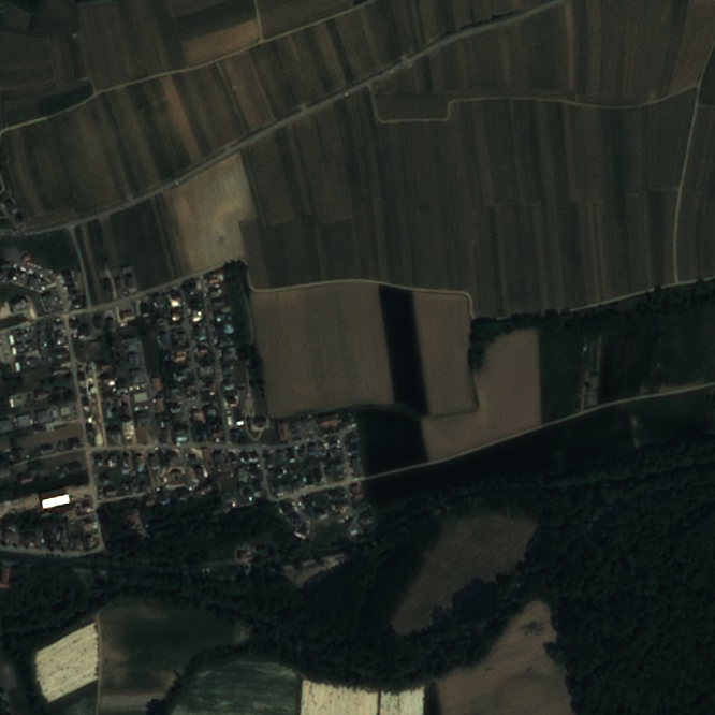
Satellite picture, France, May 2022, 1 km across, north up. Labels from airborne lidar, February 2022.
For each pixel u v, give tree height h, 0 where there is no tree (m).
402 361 0
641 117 0
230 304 0
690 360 0
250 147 0
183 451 0
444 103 0
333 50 0
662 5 0
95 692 0
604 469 15
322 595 31
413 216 0
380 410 0
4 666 0
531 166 0
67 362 0
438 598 0
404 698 0
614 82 0
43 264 0
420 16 0
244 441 8
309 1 0
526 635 0
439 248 0
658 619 30
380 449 0
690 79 0
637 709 29
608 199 0
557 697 0
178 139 0
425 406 0
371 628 23
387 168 0
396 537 34
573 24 0
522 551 0
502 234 0
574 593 23
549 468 0
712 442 18
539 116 0
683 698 28
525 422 0
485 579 0
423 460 0
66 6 0
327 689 0
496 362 0
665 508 30
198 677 0
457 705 0
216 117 0
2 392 0
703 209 0
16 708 0
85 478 0
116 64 0
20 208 0
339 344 0
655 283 0
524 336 0
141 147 0
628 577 29
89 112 0
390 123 0
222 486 0
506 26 0
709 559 32
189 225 0
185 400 0
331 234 0
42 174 0
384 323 0
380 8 0
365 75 0
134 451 0
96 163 0
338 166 0
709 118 0
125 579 22
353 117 0
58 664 0
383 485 0
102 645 0
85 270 0
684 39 0
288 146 0
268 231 0
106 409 0
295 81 0
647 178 0
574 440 0
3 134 0
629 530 27
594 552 34
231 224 0
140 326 0
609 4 0
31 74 0
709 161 0
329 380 0
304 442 0
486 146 0
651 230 0
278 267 0
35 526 6
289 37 0
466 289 0
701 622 29
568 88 0
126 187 0
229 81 0
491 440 0
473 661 22
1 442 0
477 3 0
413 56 0
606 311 6
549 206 0
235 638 0
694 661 33
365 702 0
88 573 0
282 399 0
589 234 0
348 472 0
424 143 0
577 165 0
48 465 0
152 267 0
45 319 0
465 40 0
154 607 0
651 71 0
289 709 0
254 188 0
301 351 0
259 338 0
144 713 0
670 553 31
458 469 0
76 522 0
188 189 0
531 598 0
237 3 0
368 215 0
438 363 0
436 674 22
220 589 18
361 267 0
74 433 0
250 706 0
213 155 0
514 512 0
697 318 0
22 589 7
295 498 0
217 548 19
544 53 0
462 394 0
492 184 0
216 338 0
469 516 0
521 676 0
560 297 0
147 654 0
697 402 0
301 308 0
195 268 0
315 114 0
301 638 30
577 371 0
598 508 20
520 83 0
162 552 17
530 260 0
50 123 0
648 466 27
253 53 0
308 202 0
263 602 20
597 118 0
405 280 0
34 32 0
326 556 0
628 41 0
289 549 16
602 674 25
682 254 0
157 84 0
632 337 0
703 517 32
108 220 0
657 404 0
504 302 0
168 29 0
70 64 0
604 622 24
